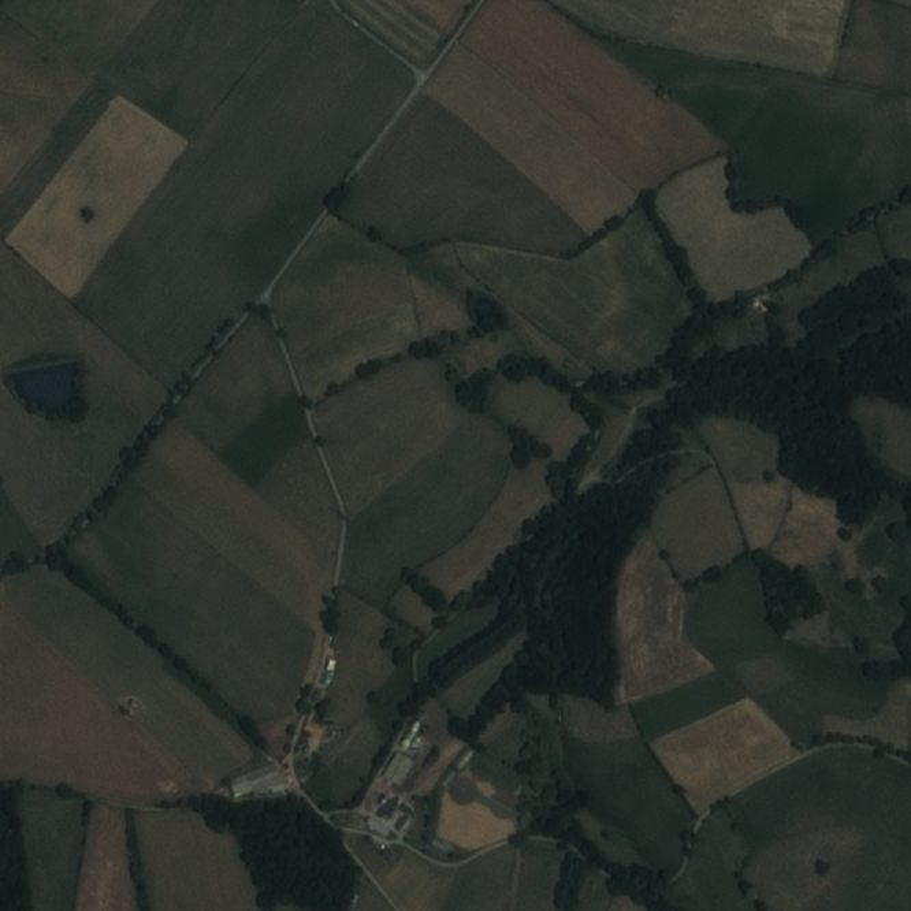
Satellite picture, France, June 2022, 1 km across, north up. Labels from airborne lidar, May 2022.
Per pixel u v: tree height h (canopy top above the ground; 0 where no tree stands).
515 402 0
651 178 0
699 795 0
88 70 0
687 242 0
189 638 0
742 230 0
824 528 0
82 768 0
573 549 23
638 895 16
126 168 0
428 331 0
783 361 20
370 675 0
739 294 10
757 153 0
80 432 0
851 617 0
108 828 0
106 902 0
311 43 0
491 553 0
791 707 0
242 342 0
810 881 0
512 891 0
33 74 0
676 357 20
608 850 0
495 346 0
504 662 0
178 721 0
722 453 0
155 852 0
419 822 0
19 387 0
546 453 7
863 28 0
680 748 0
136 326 0
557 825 18
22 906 6
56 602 0
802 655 0
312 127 0
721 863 0
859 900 0
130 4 0
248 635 0
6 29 0
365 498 0
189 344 0
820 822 0
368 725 0
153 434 18
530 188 0
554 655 12
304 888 9
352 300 0
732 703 0
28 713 0
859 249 0
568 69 0
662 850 0
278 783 0
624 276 0
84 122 0
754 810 0
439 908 0
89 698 0
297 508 0
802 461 23
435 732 0
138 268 0
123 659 0
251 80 0
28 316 0
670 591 0
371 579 0
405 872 0
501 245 0
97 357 0
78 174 0
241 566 0
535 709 0
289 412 0
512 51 0
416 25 0
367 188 0
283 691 0
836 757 0
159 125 0
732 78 0
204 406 0
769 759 0
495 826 0
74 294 0
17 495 0
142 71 0
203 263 0
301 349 0
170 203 0
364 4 0
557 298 0
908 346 30
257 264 0
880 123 0
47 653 0
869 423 0
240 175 0
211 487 0
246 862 11
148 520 0
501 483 0
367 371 14
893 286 24
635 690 0
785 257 0
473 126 0
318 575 0
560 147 0
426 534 0
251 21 0
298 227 0
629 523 19
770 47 0
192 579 0
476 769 0
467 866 0
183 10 0
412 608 0
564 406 0
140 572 0
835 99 0
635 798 0
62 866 0
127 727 0
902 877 0
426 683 9
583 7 0
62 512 0
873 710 0
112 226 0
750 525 0
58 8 0
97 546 0
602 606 16
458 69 0
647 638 0
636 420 0
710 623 0
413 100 0
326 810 15
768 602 8
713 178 0
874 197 0
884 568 0
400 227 0
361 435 0
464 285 0
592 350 0
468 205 0
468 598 14
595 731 0
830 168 0
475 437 0
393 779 0
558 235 0
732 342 0
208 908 0
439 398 0
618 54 0
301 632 0
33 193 0
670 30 0
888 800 0
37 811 0
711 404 12
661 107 0
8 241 0
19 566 18
